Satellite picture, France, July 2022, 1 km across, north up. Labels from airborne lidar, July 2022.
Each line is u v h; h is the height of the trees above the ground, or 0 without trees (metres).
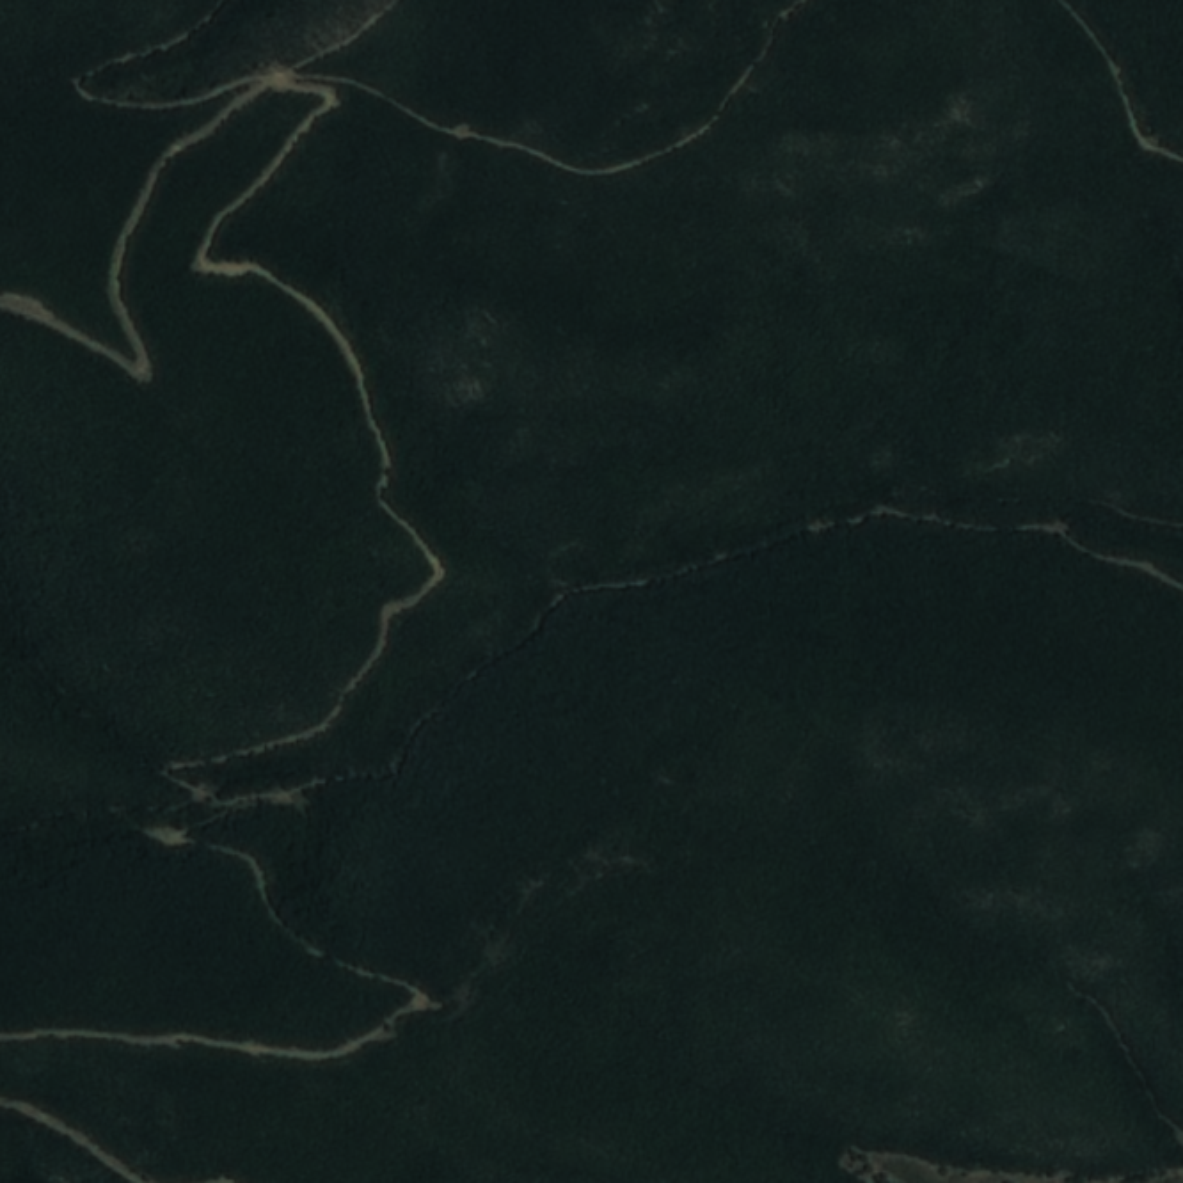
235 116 6
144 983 7
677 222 6
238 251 10
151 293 8
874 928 8
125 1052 6
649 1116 8
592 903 7
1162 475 6
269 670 8
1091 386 7
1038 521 7
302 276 7
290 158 7
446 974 6
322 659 9
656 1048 8
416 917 6
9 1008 9
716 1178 7
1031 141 7
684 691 6
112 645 6
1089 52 6
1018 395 8
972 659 9
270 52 0
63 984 7
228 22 9
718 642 8
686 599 10
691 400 7
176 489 6
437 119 6
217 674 7
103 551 7
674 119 6
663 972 6
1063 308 6
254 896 12
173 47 7
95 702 9
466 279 9
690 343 7
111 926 7
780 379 12
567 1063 13
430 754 6
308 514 11
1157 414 8
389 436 10
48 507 8
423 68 5
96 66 8
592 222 6
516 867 8
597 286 6
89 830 7
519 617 10
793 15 8
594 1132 6
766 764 6
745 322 8
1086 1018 8
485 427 8
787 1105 9
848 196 7
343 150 7
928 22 8
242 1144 6
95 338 6
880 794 7
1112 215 7
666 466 9
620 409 6
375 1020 7
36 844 6
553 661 8
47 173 7
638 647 6
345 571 11
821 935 9
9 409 8
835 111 7
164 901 10
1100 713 8
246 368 6
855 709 7
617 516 8
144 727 8
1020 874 6
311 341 6
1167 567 9
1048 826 6
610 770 6
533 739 8
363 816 11
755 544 9
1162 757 7
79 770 9
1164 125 6
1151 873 7
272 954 14
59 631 9
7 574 6
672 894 6
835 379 8
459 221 7
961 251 8
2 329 8
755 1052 6
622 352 5
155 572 8
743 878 7
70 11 7
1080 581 11
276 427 8
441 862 6
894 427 7
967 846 6
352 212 6
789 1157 10
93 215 6
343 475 9
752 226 6
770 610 11
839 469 9
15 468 8
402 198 6
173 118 6
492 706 7
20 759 6
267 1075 7
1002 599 8
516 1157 7
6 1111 8
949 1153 9
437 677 10
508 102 7
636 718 7
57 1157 7
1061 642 9
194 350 7
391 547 7
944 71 7
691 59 6
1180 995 9
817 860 10
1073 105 6
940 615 8
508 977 7
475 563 11
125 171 6
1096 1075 6
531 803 7
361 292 6
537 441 7
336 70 5
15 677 11
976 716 6
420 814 7
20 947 9
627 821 7
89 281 7
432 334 6
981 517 10
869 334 7
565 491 8
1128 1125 6
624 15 6
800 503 9
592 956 7
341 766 9
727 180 6
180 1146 6
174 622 7
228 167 6
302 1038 5
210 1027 7
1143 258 10
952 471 5
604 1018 8
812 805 7
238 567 8
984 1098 6
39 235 6
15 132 8
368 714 9
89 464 8
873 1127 7
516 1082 6
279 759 6
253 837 9
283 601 7
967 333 14
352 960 10
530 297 6
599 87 6
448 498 13
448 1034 7
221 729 8
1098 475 7
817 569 12
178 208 7
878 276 7
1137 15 8
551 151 6
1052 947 6
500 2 8
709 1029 8
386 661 8
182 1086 6
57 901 12
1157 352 11
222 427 6
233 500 9
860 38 8
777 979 6
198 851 11
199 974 11
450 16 6
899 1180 0
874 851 8
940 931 8
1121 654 8
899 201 6
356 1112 8
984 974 8
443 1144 7
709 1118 10
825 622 10
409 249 6
